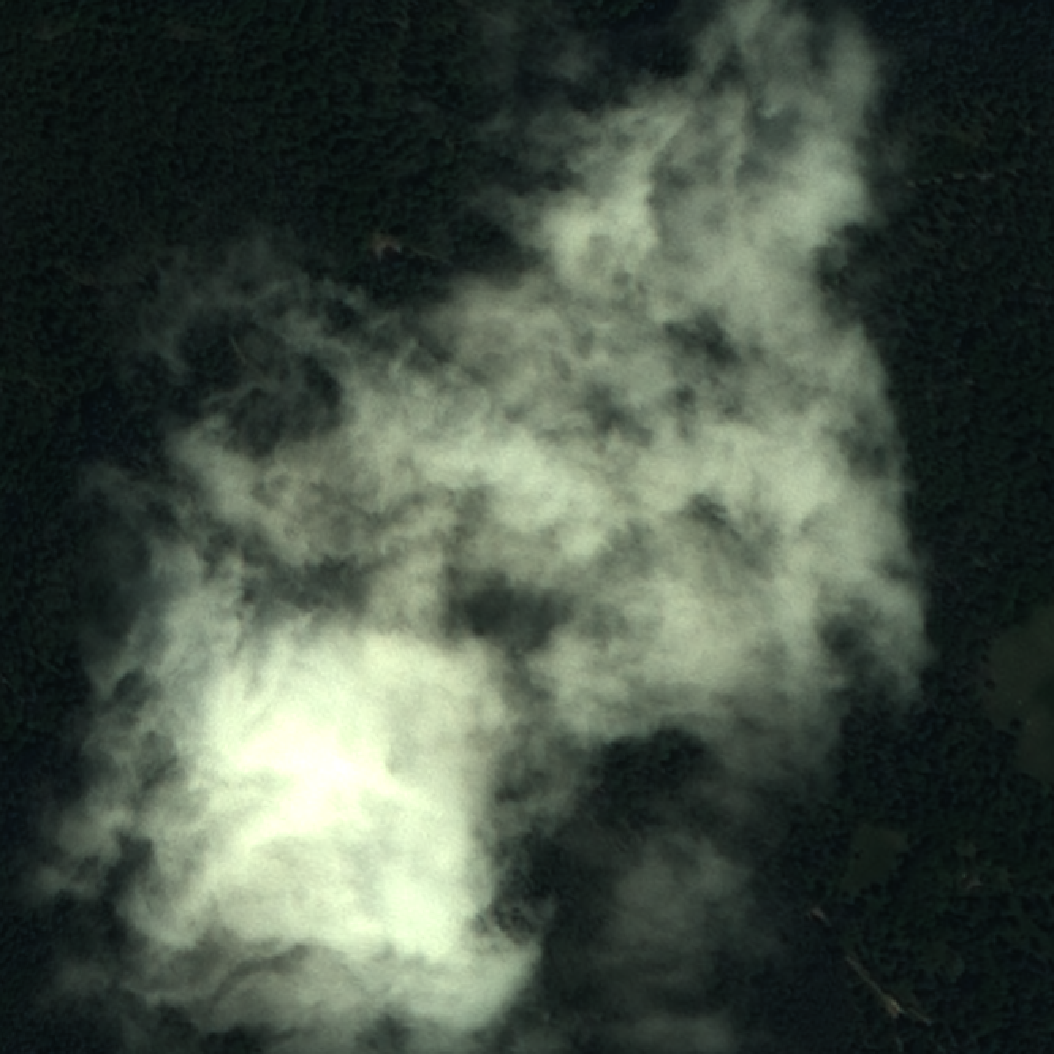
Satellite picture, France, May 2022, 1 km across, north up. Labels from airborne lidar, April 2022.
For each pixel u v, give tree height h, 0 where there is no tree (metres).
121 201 24
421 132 33
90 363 32
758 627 37
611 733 29
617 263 22
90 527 23
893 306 25
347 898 26
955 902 14
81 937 31
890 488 21
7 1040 26
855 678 14
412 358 19
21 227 23
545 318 24
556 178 22
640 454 22
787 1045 20
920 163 10
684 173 27
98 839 19
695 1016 24
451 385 15
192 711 26
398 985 32
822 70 24
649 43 29
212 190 24
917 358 27
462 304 20
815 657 7
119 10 9
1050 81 14
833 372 27
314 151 19
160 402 10
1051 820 24
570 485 32
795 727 21
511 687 22
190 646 29
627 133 29
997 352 20
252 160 21
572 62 28
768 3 29
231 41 8
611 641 31
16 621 29
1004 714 0
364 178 17
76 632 27
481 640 18
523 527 25
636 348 27
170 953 18
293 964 19
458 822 27
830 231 8
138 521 24
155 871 17
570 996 18
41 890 34
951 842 11
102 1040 17
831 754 23
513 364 18
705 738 26
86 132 18
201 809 22
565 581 32
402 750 20
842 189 30
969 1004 17
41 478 11
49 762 30
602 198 0
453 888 23
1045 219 24
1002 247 21
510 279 24
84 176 24
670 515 28
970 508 22
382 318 23
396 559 16
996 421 21
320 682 12
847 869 9
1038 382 32
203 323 13
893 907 25
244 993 24
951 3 11
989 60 17
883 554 31
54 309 34
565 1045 32
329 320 30
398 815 23
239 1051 17
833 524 25
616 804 30
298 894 19
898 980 11
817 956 26
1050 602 17
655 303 31
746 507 21
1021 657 0
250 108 16
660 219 22
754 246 9
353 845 21
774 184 6
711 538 13
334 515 10
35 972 18
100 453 17
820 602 18
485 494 30
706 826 27
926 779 27
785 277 26
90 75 12
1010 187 27
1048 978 16
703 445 22
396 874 20
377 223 20
